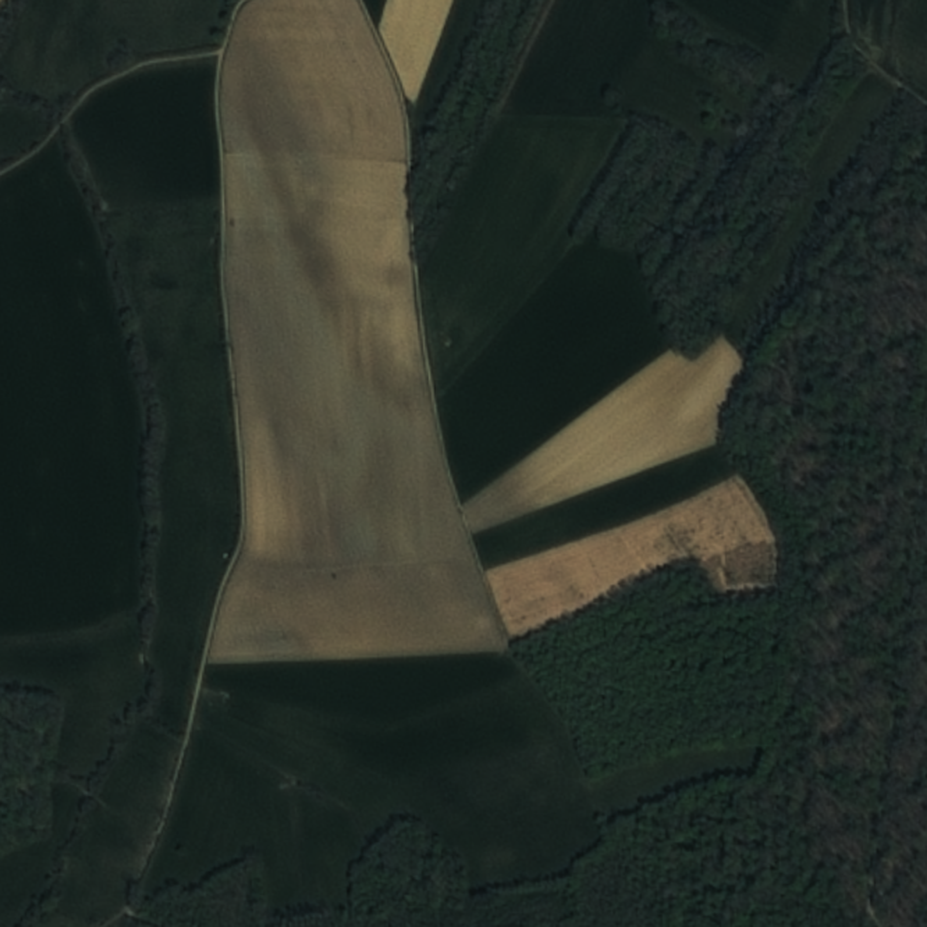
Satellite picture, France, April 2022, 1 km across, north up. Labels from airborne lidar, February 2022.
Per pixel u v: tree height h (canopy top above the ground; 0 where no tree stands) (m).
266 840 0
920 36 0
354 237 0
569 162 0
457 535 0
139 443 0
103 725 0
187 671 0
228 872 12
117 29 0
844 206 15
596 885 15
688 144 23
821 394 23
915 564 23
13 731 28
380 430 0
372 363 0
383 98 0
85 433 0
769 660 23
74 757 0
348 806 0
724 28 0
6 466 0
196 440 0
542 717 0
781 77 0
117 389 0
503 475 0
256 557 0
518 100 0
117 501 0
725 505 0
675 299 25
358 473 0
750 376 17
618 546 0
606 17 0
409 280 0
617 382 0
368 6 0
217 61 0
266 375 0
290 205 0
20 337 0
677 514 0
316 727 0
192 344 0
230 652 0
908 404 25
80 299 0
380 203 0
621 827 18
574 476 0
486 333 0
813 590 18
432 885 24
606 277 0
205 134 0
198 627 0
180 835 0
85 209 0
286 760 0
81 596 0
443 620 0
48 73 0
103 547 0
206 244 0
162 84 0
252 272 0
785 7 0
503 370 0
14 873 0
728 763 0
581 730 12
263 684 0
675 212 18
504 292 0
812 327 30
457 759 0
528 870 0
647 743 16
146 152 0
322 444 0
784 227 18
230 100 0
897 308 28
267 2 0
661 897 12
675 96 0
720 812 22
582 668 13
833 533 24
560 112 0
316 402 0
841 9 5
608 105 11
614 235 25
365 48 0
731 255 25
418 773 0
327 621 0
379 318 0
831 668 24
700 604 21
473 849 0
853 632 23
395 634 0
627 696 13
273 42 0
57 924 0
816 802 24
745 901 24
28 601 0
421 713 0
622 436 0
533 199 0
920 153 22
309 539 0
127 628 0
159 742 0
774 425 30
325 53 0
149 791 0
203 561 0
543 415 0
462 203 0
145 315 0
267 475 0
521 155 0
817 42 0
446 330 0
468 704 0
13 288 0
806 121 21
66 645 0
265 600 0
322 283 0
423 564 0
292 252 0
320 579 0
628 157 23
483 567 0
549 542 0
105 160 0
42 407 0
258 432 0
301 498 0
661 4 16
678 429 0
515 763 0
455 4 0
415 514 0
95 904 0
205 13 0
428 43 0
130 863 0
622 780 0
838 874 20
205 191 0
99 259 0
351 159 0
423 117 0
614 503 0
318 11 0
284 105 0
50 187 0
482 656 0
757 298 0
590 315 0
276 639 0
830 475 26
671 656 16
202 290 0
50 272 0
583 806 0
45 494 0
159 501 20
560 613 0
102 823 0
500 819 0
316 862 0
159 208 0
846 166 0
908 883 28
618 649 14
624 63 0
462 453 0
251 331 0
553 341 0
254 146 0
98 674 0
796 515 18
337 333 0
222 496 0
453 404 0
